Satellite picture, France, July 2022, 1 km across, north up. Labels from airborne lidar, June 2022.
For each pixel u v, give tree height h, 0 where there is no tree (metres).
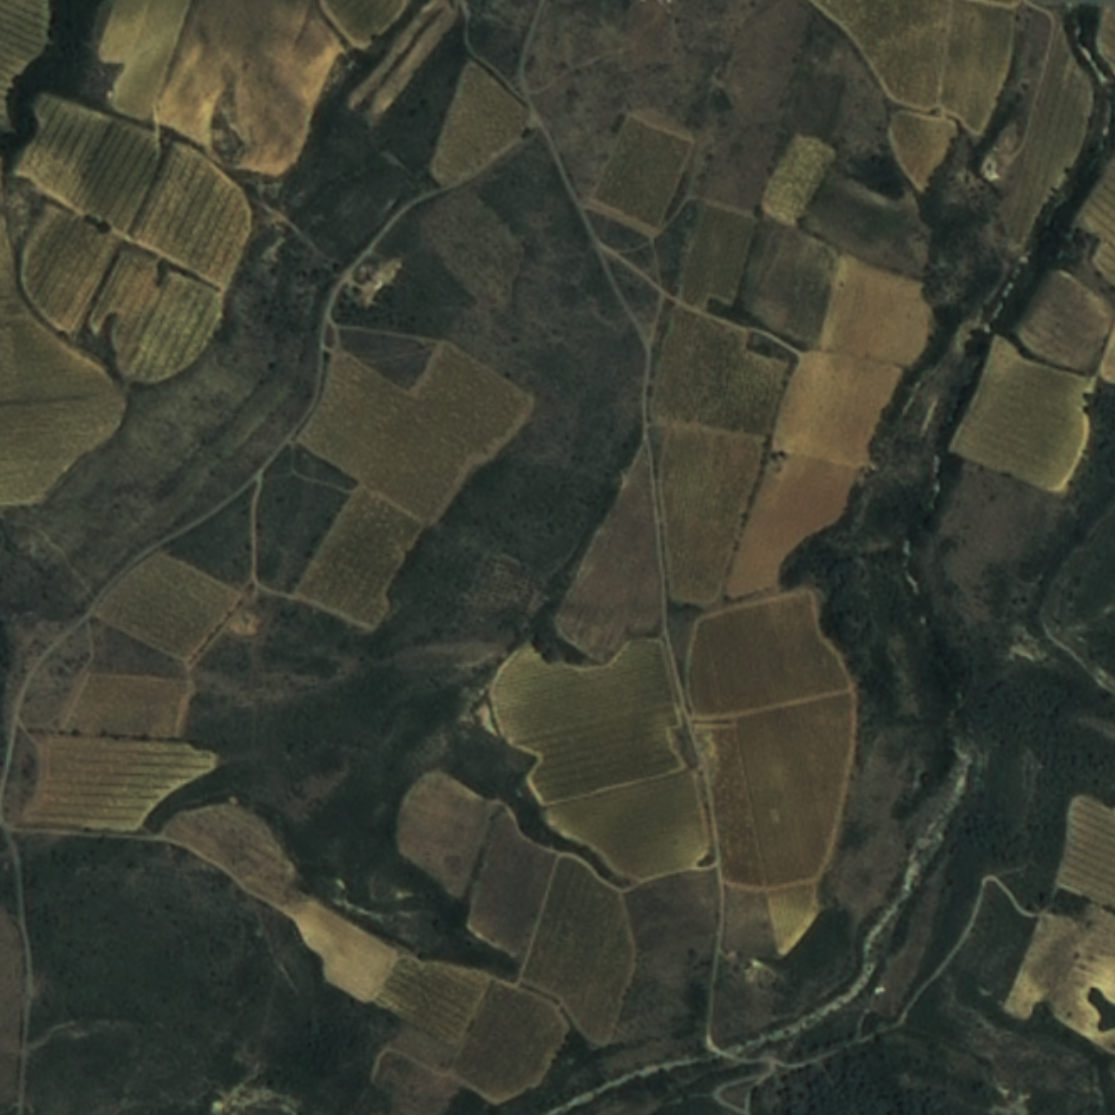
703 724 0
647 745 0
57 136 0
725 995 0
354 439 0
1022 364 0
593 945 0
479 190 0
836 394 0
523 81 0
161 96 0
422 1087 0
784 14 0
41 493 0
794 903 0
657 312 0
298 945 0
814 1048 5
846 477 0
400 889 0
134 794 0
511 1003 0
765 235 0
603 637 0
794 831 0
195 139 0
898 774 0
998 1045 0
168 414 0
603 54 0
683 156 0
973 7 0
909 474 0
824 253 0
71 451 0
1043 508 0
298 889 0
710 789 0
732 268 0
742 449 0
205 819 0
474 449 0
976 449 0
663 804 0
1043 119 0
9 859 0
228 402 0
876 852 0
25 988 0
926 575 0
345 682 0
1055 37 0
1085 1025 0
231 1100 0
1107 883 0
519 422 0
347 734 0
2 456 0
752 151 0
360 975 0
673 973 0
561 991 0
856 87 0
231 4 0
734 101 0
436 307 0
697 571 0
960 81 0
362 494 0
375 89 0
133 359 0
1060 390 0
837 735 0
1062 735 8
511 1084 0
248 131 0
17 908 0
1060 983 0
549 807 0
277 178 0
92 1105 0
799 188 0
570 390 0
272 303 6
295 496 0
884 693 8
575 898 0
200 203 0
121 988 0
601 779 0
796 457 0
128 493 0
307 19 0
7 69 0
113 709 0
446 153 0
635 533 0
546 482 0
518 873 0
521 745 0
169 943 0
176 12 0
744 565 0
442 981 0
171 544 0
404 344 0
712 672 0
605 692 0
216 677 0
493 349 0
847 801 0
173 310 0
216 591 0
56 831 0
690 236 0
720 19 0
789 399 0
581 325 0
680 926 0
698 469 0
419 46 0
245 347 0
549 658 12
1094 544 0
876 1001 0
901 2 0
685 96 0
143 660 0
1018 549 0
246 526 0
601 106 0
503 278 0
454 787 0
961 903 0
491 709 0
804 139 0
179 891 0
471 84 0
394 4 0
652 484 0
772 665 0
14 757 0
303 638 0
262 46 0
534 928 0
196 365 0
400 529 0
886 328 0
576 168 0
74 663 0
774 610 0
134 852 0
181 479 0
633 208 0
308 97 0
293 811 0
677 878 0
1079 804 0
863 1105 16
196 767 0
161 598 0
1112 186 0
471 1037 0
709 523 0
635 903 0
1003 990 0
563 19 0
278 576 0
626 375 0
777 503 0
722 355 0
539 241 0
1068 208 7
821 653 0
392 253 0
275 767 0
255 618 0
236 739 0
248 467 0
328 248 0
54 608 0
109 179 0
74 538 0
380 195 0
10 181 0
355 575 0
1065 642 0
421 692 0
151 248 0
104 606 0
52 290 0
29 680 0
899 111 0
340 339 0
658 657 0
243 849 0
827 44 0
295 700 0
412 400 0
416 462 0
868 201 0
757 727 0
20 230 0
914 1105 10
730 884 0
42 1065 0
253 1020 0
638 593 0
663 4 0
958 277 0
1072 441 0
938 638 8
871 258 0
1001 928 0
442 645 0
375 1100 0
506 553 0
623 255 0
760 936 0
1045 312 0
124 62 0
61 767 0
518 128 0
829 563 10
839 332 0
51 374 0
